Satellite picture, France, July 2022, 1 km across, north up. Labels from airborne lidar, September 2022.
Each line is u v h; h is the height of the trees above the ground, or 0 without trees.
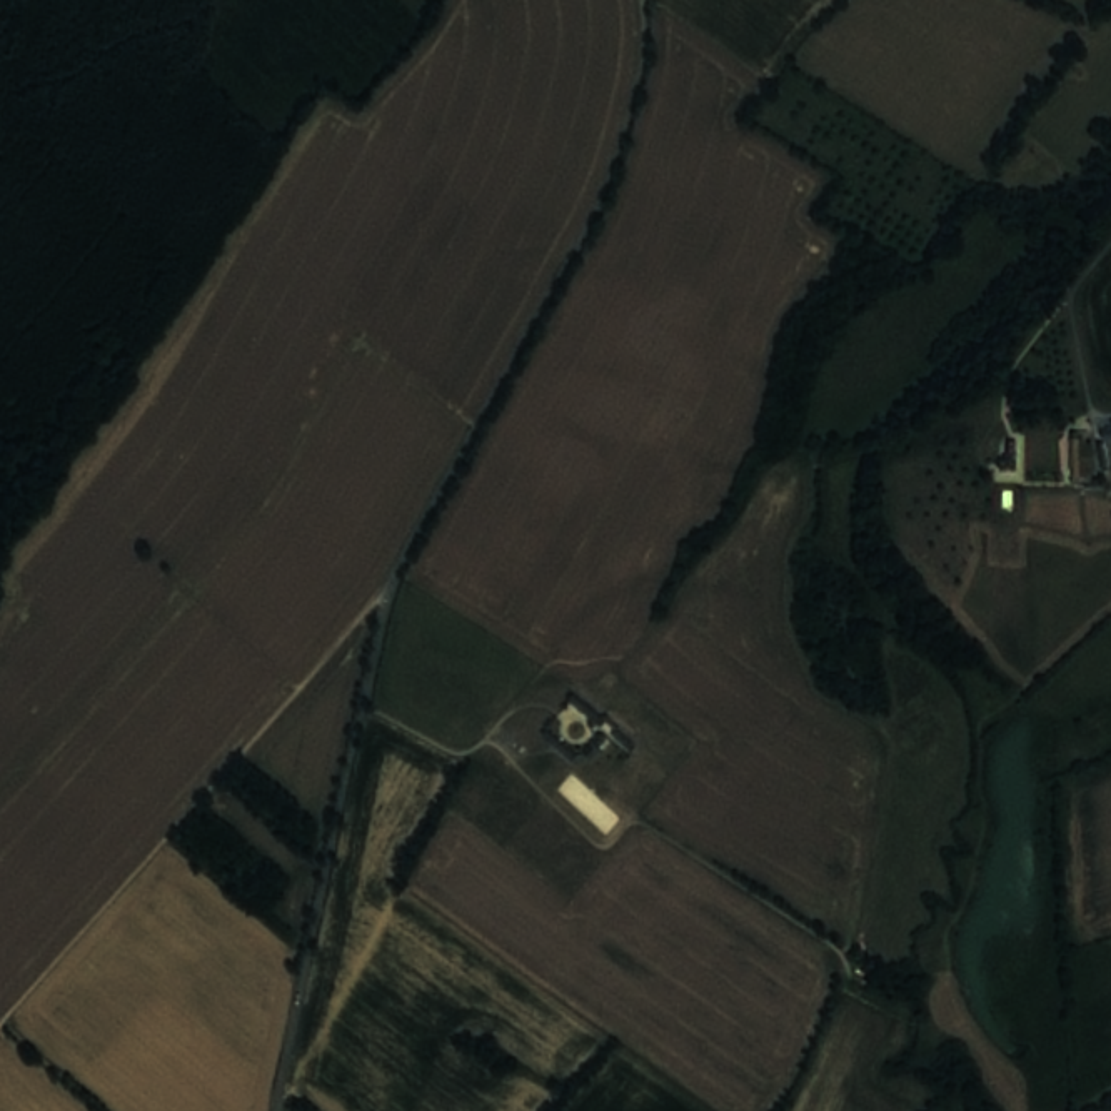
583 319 0
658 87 0
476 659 0
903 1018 0
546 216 0
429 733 0
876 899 0
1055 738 0
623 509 0
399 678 0
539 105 0
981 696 0
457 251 0
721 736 0
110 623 0
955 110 0
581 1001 0
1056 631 0
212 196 17
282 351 0
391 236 0
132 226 10
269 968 0
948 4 0
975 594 0
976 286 0
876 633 15
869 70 0
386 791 0
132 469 0
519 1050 0
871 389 0
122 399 16
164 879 0
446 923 0
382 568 0
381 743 0
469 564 0
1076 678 0
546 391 0
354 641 0
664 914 0
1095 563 0
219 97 17
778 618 0
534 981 0
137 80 17
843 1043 0
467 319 0
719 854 0
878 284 18
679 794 0
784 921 0
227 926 0
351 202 0
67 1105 0
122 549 0
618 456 0
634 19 0
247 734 0
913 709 0
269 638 0
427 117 0
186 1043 0
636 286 0
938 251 17
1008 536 0
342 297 0
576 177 0
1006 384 22
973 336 12
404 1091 0
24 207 10
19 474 8
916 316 0
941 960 0
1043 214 17
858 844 0
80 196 10
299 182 0
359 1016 0
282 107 0
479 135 0
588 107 0
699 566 0
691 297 0
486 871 0
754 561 0
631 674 0
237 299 0
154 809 0
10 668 0
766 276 0
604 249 0
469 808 0
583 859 0
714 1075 0
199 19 14
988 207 16
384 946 0
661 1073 0
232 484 0
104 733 0
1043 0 14
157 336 17
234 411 0
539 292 0
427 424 0
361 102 11
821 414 0
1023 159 0
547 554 0
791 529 0
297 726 0
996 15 0
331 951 0
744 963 0
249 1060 0
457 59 0
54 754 0
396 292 0
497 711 0
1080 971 0
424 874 0
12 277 9
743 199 0
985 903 0
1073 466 0
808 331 17
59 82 11
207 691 0
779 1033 0
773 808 0
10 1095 0
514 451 0
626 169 10
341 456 0
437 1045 0
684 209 0
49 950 0
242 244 0
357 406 0
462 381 0
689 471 0
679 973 0
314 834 8
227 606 0
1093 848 0
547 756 0
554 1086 14
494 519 0
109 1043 0
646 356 0
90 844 0
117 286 12
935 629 14
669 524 0
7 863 0
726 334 0
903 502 0
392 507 0
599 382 0
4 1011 0
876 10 0
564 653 0
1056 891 11
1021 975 0
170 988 0
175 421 0
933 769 0
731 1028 0
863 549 15
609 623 0
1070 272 17
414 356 0
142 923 0
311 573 0
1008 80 0
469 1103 0
